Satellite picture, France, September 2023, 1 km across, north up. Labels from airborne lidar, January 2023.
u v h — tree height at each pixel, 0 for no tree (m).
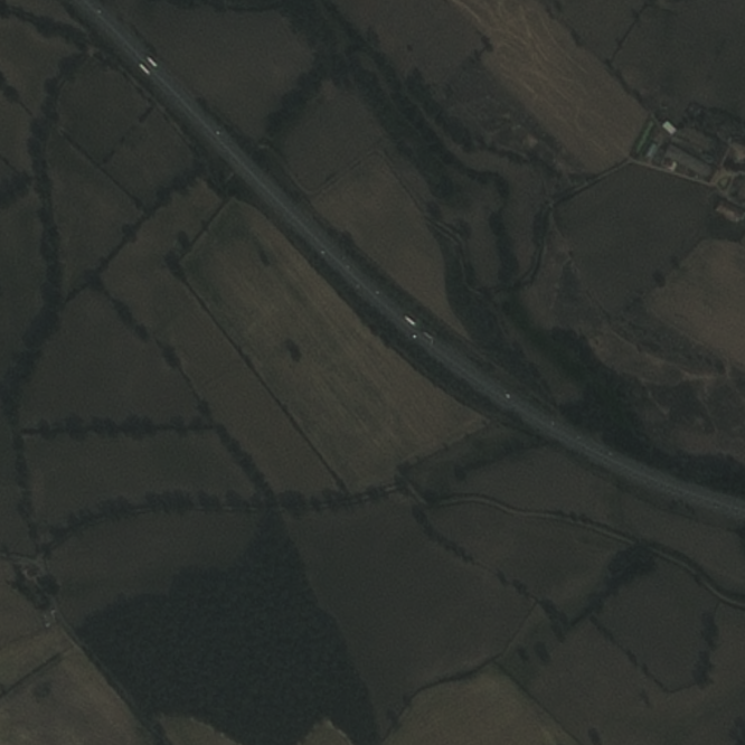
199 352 0
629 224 0
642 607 0
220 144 0
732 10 0
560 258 0
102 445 0
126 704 6
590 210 0
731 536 0
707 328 0
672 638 0
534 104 0
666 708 0
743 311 0
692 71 0
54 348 0
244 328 0
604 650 0
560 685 0
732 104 0
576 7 0
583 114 0
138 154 0
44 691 0
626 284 0
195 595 12
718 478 17
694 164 0
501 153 6
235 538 0
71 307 0
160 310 0
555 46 0
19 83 0
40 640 0
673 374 0
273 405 0
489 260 0
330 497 12
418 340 0
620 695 0
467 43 0
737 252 0
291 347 13
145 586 0
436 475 0
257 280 0
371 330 9
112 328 0
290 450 0
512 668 0
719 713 0
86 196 0
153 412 0
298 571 24
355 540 0
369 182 0
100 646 13
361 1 0
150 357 0
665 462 12
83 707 0
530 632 0
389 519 0
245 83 0
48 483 0
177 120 8
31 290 0
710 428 0
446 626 0
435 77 0
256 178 0
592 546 0
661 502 0
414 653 0
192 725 0
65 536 13
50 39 0
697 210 0
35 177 12
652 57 0
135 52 0
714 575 0
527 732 0
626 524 0
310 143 0
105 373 0
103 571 0
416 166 7
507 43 0
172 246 0
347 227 0
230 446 6
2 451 0
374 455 0
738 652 0
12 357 0
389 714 0
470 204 0
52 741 0
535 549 0
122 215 0
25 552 0
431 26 0
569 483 0
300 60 0
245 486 0
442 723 0
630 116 0
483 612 0
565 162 0
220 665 18
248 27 0
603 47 0
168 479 0
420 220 0
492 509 0
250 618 18
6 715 0
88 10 0
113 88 0
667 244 0
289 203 0
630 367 0
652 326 0
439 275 0
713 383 0
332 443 0
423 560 0
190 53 0
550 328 0
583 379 0
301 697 20
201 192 0
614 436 15
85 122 0
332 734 0
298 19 15
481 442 0
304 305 0
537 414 0
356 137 0
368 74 7
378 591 0
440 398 0
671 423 0
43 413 0
